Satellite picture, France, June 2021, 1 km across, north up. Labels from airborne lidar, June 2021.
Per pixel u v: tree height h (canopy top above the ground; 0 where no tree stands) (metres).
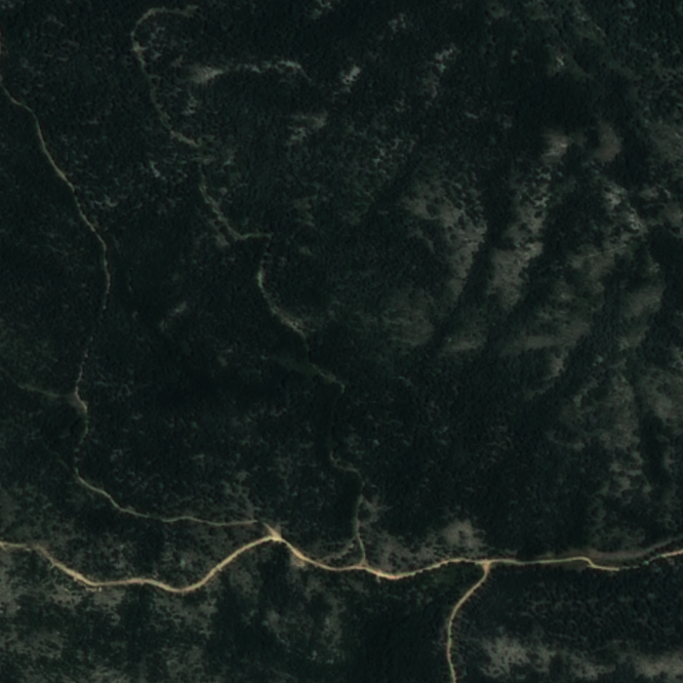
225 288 17
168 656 0
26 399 8
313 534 9
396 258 10
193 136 7
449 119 8
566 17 8
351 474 9
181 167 11
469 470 15
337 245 9
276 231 18
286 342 11
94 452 11
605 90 13
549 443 10
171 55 9
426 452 14
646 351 13
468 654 6
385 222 11
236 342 13
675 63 10
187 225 10
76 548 9
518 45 8
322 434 11
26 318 8
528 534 10
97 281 13
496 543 10
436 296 8
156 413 11
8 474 8
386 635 11
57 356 8
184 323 10
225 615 8
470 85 12
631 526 8
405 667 10
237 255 8
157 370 18
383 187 7
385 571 0
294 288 8
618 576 12
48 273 15
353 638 8
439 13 12
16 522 6
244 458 9
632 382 9
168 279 7
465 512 7
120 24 7
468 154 8
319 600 10
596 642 14
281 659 8
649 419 9
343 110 16
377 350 8
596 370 9
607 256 0
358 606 10
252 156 7
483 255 12
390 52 14
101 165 6
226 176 7
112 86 11
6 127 9
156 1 9
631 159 16
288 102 17
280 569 6
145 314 10
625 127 11
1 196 10
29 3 7
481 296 7
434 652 7
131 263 6
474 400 18
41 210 8
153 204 8
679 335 9
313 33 20
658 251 21
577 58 13
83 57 15
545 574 11
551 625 10
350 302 9
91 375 6
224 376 9
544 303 8
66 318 11
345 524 7
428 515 6
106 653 10
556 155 0
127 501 14
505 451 9
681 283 10
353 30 20
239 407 9
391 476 10
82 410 0
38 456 18
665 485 9
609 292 10
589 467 8
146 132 9
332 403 10
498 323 8
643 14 11
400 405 13
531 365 10
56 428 13
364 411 12
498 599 7
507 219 9
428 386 14
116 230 11
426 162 6
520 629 6
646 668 0
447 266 7
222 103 11
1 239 6
